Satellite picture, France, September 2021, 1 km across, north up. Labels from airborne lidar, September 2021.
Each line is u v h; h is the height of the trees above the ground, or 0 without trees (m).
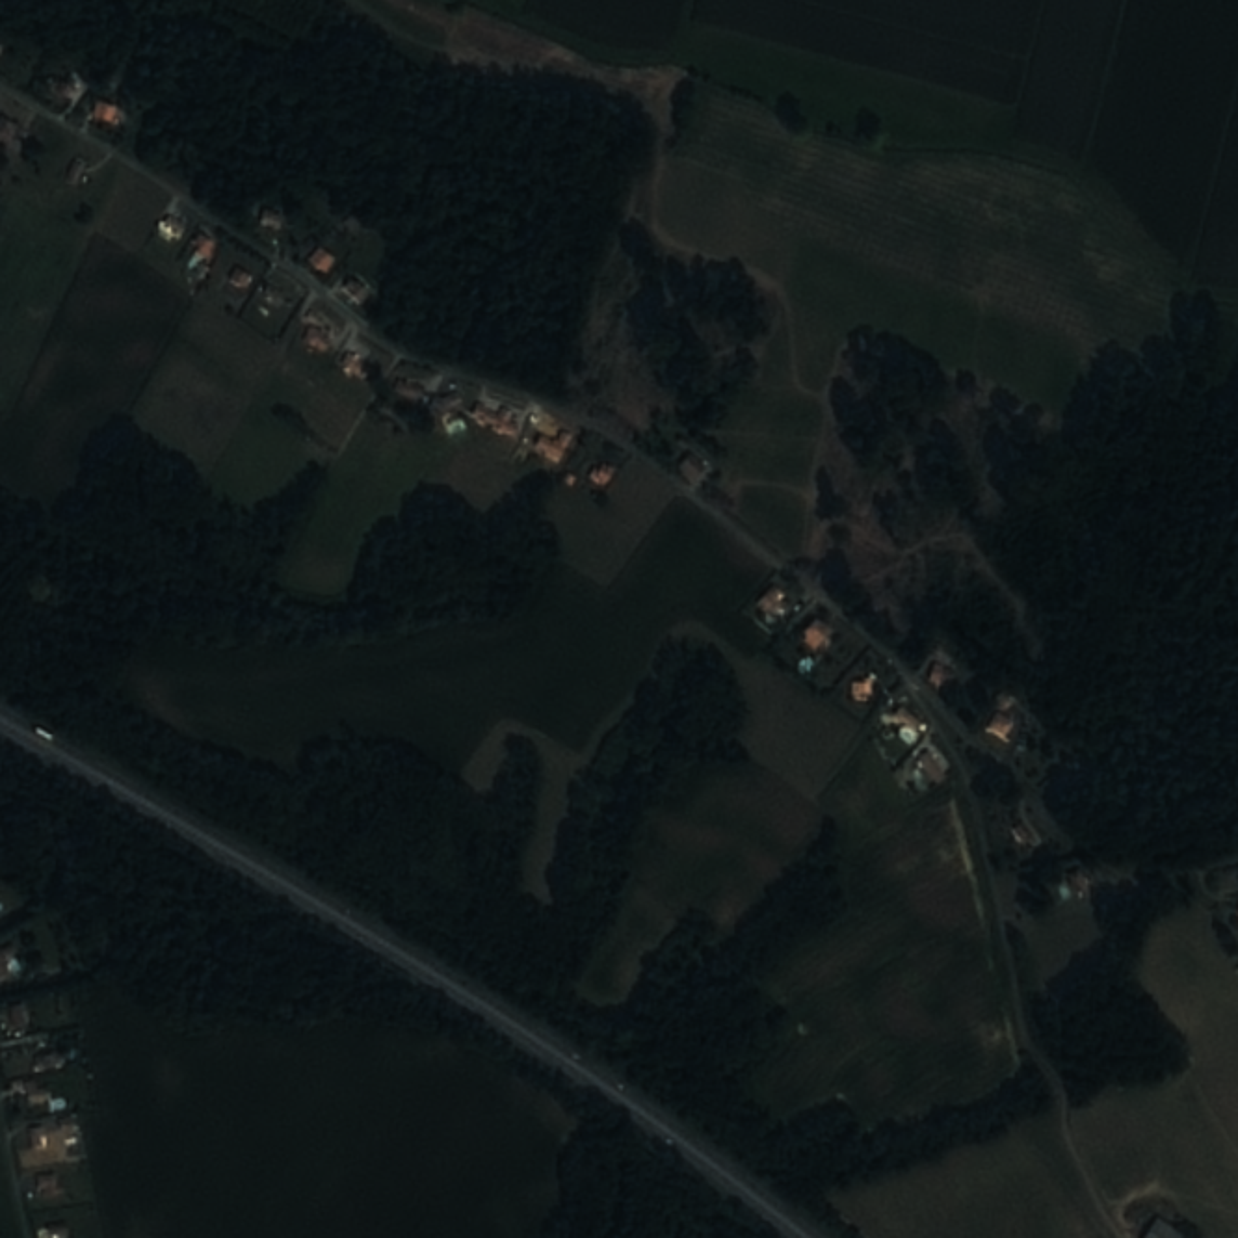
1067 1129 0
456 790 14
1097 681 22
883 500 0
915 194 0
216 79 24
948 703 16
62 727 12
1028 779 6
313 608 7
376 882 22
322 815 23
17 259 0
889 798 0
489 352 28
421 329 7
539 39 0
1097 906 18
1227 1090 0
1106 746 23
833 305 0
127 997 15
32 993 10
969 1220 0
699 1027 25
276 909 14
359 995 23
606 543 0
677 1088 14
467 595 8
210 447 0
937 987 0
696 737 21
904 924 0
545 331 12
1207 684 18
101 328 0
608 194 19
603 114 22
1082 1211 0
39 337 0
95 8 24
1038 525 0
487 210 17
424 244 24
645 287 0
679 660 18
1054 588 0
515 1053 7
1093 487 0
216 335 0
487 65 0
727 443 0
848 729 0
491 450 0
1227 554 24
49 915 9
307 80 26
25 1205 0
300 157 18
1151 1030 23
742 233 0
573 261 21
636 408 0
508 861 22
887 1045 0
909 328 0
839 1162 24
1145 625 10
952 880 0
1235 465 23
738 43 0
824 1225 8
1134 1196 0
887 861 0
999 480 30
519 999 19
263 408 0
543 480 14
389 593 25
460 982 0
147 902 24
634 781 26
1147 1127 0
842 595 21
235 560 13
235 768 22
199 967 20
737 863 0
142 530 23
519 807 28
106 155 0
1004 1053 0
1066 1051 21
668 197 0
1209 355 24
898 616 0
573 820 15
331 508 0
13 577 12
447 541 28
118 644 18
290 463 0
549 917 12
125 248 0
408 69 8
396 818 19
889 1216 0
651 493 0
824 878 13
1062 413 0
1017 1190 0
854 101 0
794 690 0
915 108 0
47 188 0
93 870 27
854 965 0
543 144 22
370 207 23
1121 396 24
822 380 0
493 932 15
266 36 24
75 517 25
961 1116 11
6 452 0
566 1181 14
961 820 0
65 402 0
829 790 0
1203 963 0
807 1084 0
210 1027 15
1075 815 26
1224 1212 0
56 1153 0
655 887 0
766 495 0
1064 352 0
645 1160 11
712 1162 0
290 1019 16
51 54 8
